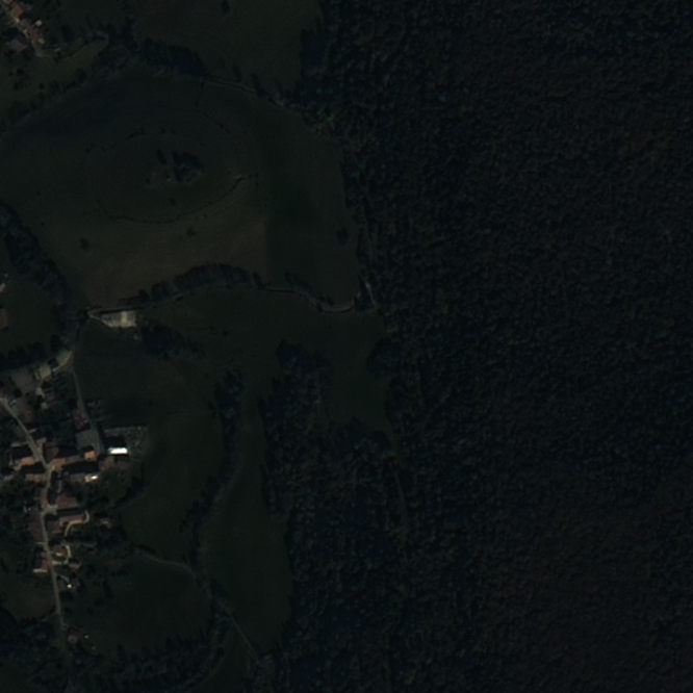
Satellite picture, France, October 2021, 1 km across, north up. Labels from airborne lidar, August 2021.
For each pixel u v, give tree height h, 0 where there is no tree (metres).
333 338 0
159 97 0
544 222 16
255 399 0
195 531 20
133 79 0
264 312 0
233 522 0
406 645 15
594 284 9
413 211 19
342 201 0
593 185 10
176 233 0
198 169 12
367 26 22
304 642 17
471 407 17
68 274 0
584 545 16
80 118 0
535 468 16
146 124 0
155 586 0
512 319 7
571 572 13
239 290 10
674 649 18
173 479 0
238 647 0
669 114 13
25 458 0
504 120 16
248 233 0
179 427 0
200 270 0
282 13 0
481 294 20
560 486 18
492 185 12
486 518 19
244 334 0
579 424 16
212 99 0
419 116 16
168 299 24
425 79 23
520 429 12
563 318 16
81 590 12
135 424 0
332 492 20
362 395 0
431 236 18
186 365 0
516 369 16
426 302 10
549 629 12
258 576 0
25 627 10
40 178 0
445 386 21
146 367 0
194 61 0
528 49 18
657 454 18
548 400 17
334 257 0
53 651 26
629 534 20
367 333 0
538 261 12
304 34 0
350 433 0
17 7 0
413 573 9
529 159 11
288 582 0
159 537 0
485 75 11
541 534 15
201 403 0
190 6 0
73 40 14
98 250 0
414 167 20
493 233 15
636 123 14
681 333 15
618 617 16
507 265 10
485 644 18
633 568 18
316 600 23
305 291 14
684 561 8
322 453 14
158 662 14
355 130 16
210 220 0
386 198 17
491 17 16
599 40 23
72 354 0
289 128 0
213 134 0
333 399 0
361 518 30
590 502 15
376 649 15
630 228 10
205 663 24
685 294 10
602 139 15
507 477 13
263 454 0
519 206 17
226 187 0
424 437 12
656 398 18
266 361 0
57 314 0
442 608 13
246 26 0
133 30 16
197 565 18
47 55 0
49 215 0
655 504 19
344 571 29
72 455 0
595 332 15
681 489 21
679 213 13
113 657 0
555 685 11
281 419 25
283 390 0
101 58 0
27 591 0
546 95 9
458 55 19
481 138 13
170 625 0
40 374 0
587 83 11
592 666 14
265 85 0
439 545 13
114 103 0
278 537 0
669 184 13
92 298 0
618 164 13
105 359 0
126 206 0
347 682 19
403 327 18
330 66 9
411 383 15
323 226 0
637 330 11
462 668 27
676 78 17
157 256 0
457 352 20
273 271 0
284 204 0
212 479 0
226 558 0
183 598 0
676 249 15
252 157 0
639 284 14
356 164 7
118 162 0
